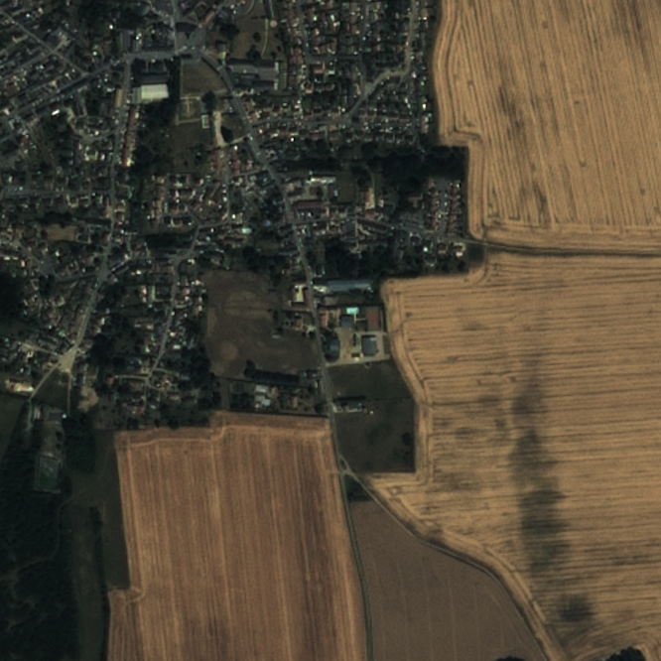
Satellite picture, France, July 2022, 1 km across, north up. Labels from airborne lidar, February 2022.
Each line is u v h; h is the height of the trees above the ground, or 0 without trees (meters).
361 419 0
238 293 0
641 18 0
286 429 0
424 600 0
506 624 0
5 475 10
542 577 0
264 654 0
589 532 0
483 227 0
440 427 0
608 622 0
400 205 9
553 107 0
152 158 7
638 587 0
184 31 0
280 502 0
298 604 0
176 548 0
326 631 0
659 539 0
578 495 0
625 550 0
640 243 0
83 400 0
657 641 0
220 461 0
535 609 0
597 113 0
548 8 0
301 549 0
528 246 0
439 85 0
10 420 0
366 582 0
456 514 0
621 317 0
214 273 0
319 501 0
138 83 8
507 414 0
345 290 0
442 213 0
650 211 0
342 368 0
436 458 0
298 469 0
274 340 0
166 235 6
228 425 0
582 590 0
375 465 0
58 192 0
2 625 10
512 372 0
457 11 0
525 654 0
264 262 7
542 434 0
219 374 0
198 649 0
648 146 0
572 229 0
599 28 0
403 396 0
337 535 0
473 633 0
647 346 0
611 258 0
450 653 0
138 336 10
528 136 0
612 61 0
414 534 0
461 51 0
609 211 0
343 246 10
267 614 0
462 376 0
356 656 0
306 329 0
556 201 0
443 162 16
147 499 0
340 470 0
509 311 0
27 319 8
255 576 0
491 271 0
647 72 0
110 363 13
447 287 0
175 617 0
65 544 7
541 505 0
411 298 0
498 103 0
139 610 0
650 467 0
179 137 0
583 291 0
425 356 0
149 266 0
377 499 0
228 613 0
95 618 0
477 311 0
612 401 0
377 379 0
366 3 0
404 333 0
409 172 22
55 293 0
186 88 0
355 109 0
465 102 0
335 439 0
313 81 9
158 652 0
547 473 0
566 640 0
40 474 0
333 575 0
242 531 0
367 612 0
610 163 0
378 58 11
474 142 0
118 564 0
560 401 0
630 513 0
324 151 8
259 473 0
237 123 0
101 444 0
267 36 0
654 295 0
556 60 0
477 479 0
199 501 0
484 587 0
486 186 0
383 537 0
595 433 0
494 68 0
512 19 0
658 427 0
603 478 0
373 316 0
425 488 0
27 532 6
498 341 0
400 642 0
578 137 0
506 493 0
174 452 0
